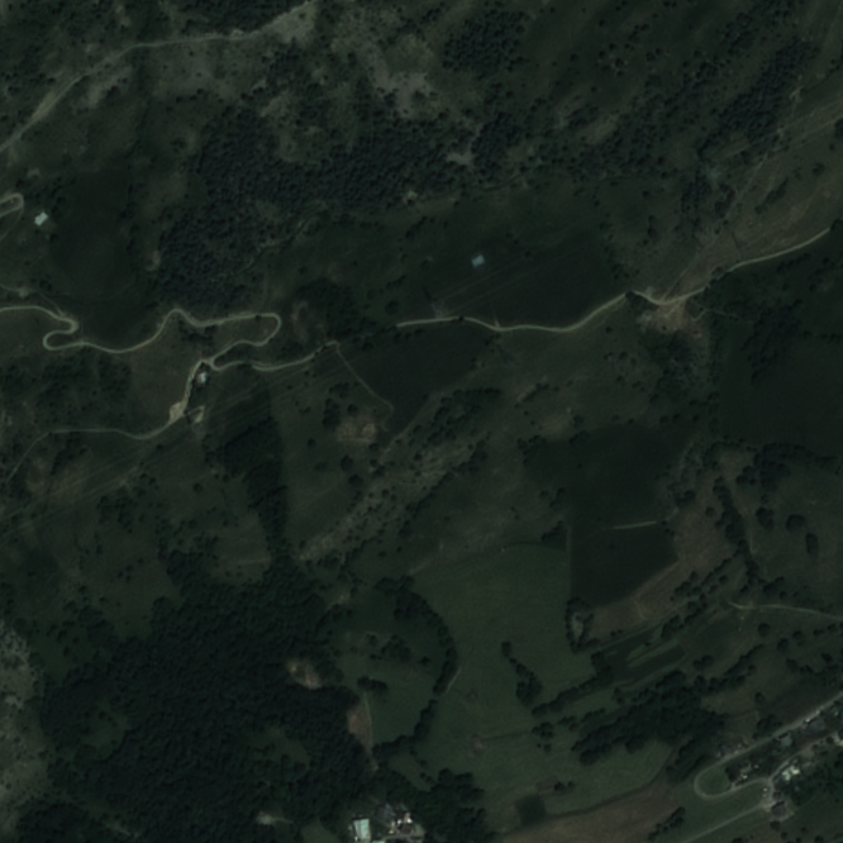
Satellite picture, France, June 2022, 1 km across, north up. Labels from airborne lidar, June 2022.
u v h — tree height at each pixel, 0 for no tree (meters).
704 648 0
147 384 0
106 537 0
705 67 15
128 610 0
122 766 22
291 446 0
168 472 0
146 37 10
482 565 0
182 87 0
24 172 7
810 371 0
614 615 0
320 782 29
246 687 21
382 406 0
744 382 0
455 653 14
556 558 0
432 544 0
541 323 0
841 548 0
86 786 14
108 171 0
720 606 0
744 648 0
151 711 21
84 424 0
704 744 13
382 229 7
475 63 13
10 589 11
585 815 0
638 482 0
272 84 12
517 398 0
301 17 6
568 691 8
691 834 0
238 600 19
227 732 14
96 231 0
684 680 19
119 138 0
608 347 0
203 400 0
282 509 17
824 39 0
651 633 0
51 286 12
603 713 11
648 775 0
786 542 0
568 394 0
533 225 0
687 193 54
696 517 0
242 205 11
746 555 13
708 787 0
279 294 0
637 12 0
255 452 24
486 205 0
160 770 24
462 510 0
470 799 16
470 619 0
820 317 0
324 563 12
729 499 12
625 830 0
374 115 6
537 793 0
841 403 0
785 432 0
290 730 14
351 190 12
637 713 18
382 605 0
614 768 0
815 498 0
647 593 0
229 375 0
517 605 0
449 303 0
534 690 14
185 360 0
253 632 17
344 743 25
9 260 0
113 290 0
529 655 0
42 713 13
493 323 0
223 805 14
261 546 0
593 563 0
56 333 0
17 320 0
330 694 25
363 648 0
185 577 18
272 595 17
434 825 12
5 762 0
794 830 0
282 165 13
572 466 0
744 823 0
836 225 9
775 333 16
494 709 0
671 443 0
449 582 0
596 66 6
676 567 0
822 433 0
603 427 0
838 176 0
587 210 0
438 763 0
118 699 20
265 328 0
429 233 0
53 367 8
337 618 14
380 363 0
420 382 0
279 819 0
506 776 0
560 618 0
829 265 12
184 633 20
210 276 7
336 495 0
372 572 0
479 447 7
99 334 0
